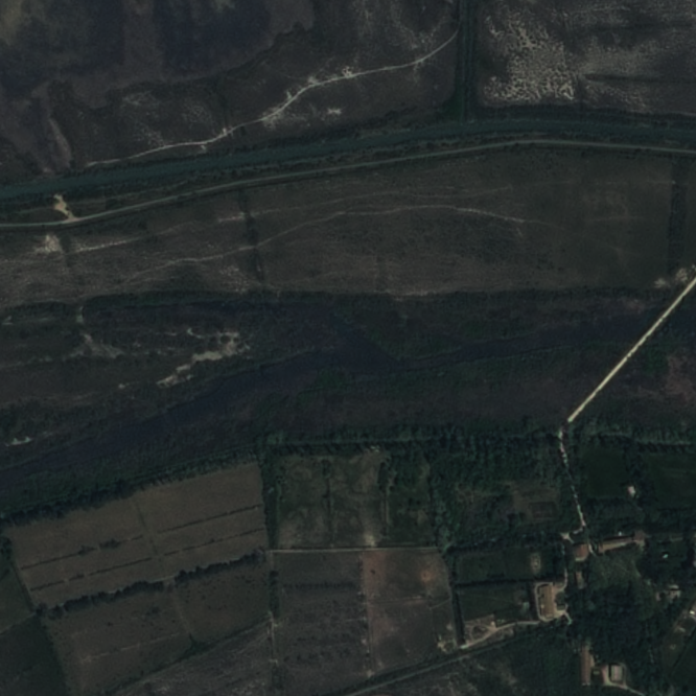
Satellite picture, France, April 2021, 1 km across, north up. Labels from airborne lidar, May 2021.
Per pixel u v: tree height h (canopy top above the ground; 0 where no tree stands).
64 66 0
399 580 0
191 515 0
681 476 0
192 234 0
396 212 0
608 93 0
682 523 10
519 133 0
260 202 0
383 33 0
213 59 0
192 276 0
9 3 0
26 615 0
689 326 0
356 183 0
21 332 0
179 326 0
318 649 0
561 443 11
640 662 8
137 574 0
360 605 0
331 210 0
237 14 0
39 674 0
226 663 0
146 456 5
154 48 0
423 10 0
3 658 0
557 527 9
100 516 0
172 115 0
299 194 0
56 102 0
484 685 0
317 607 0
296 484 0
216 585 0
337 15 0
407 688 0
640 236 0
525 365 8
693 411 0
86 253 0
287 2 0
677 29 0
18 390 0
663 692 11
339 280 0
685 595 22
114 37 0
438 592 0
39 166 0
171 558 0
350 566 0
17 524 14
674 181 0
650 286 0
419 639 0
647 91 0
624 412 5
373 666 0
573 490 8
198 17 0
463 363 6
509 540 11
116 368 0
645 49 0
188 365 0
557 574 13
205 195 0
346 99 0
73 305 0
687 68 0
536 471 13
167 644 0
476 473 17
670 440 16
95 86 0
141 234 0
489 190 0
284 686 0
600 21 0
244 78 0
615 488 0
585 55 0
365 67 0
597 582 21
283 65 0
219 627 0
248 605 0
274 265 0
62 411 0
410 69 0
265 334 6
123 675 0
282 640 0
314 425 0
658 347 8
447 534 15
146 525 0
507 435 13
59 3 0
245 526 0
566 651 7
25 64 0
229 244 0
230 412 6
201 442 7
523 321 7
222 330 0
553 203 0
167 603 0
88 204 0
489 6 0
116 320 0
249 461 12
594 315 7
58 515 12
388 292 0
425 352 7
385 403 0
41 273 0
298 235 0
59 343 0
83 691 0
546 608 0
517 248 0
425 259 0
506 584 8
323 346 0
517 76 0
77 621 0
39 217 0
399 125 0
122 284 0
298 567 0
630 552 21
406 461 11
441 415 5
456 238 0
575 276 0
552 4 0
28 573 0
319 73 0
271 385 0
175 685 0
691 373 0
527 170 0
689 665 0
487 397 0
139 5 0
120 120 0
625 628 16
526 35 0
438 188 0
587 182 0
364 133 0
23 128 0
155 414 0
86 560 0
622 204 0
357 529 0
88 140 0
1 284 0
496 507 13
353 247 0
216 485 0
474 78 7
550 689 7
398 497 0
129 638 0
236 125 0
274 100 0
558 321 0
